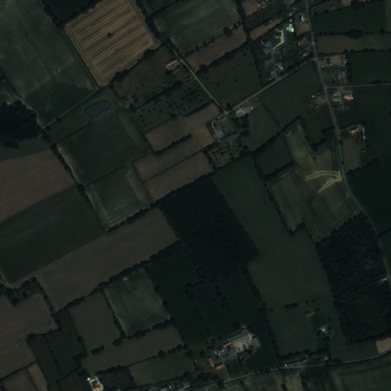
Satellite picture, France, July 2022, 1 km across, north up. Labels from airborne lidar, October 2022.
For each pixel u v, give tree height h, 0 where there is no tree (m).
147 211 10
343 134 0
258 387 0
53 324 0
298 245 0
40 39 0
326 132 10
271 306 0
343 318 9
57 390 0
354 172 12
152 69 0
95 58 0
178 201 21
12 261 0
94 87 0
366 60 0
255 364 0
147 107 0
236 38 0
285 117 0
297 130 0
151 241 0
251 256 21
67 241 0
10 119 19
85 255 0
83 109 0
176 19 0
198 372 7
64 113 0
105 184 0
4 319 0
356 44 0
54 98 0
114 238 0
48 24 0
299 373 0
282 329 0
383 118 0
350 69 10
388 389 0
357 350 0
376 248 10
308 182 0
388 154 0
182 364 0
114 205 0
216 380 13
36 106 0
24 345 0
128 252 0
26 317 0
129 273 14
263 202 0
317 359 6
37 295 0
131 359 0
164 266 0
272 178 12
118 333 0
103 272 0
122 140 0
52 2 0
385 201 0
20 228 0
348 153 0
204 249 24
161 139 0
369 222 9
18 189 0
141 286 0
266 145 17
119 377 0
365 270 7
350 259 9
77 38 0
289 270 0
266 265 0
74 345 0
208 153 18
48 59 0
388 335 16
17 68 0
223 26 0
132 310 0
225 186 0
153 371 0
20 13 0
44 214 0
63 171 0
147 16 8
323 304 0
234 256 20
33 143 0
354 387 0
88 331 0
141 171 0
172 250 17
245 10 8
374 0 17
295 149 0
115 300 0
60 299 0
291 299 0
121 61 0
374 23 0
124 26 0
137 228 0
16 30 0
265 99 0
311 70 0
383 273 10
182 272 0
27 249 0
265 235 0
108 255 0
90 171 0
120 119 0
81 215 0
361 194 0
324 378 0
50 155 0
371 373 0
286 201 0
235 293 0
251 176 0
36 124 18
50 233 0
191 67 8
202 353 12
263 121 0
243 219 0
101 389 0
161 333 0
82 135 0
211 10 0
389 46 0
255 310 0
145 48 0
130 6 0
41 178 0
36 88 0
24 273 0
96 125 0
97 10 0
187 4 0
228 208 18
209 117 0
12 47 0
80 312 0
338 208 0
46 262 0
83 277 0
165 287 0
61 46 0
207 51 0
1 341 0
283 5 5
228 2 0
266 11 0
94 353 10
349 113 0
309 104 0
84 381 0
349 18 0
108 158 0
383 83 7
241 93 0
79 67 0
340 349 0
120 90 0
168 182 0
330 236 7
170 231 0
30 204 0
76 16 16
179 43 0
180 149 0
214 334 0
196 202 12
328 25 0
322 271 0
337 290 13
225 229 23
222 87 0
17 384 0
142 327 0
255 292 14
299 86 0
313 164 0
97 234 0
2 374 0
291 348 0
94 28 0
